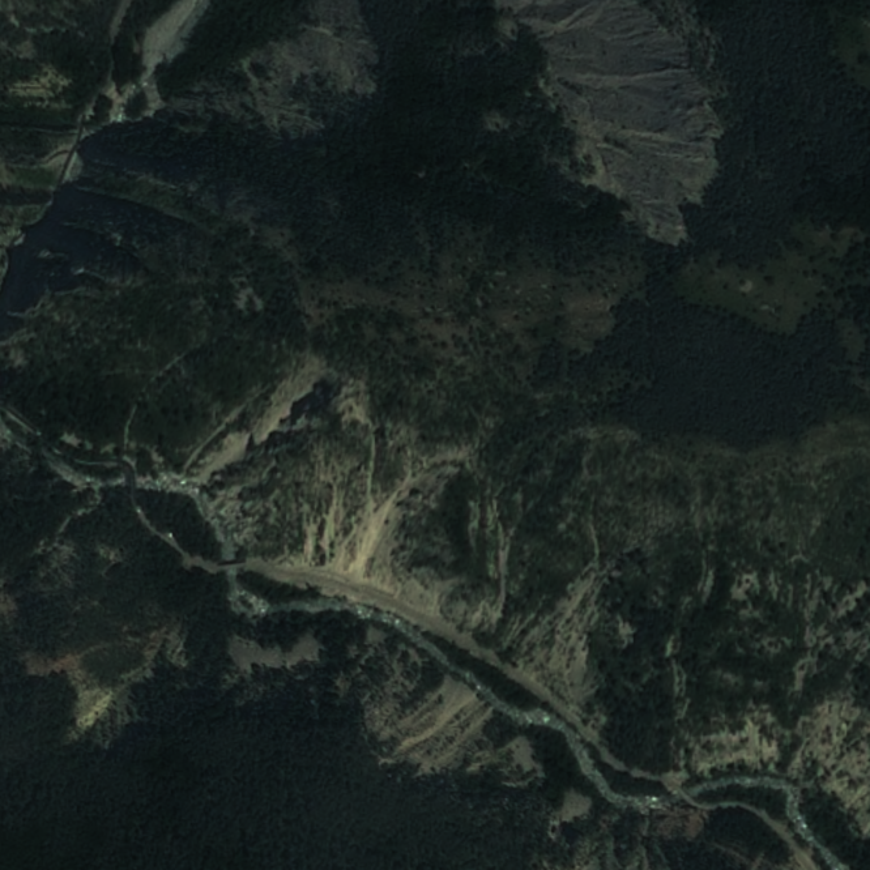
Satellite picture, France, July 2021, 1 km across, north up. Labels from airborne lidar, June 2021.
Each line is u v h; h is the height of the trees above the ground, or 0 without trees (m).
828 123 9
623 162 0
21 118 8
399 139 15
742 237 7
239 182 9
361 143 17
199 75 9
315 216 7
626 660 11
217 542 9
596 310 0
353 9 0
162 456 13
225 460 0
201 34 14
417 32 16
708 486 6
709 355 12
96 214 8
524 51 12
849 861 14
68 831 14
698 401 14
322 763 15
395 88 16
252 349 7
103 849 14
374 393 15
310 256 8
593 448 10
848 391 9
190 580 22
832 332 12
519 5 0
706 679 6
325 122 6
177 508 12
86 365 7
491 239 9
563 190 15
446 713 0
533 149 12
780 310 6
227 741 16
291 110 0
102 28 11
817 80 12
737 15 18
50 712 12
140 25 21
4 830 22
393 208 13
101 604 8
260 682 14
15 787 32
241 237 7
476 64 17
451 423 7
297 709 7
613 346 10
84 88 13
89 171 13
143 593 12
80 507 11
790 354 17
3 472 10
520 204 19
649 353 8
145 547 12
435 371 10
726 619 6
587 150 0
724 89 9
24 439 10
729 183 10
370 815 19
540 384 7
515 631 0
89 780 19
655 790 16
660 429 9
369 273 8
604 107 0
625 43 0
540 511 8
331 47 0
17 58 6
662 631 9
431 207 8
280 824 28
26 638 7
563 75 0
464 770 6
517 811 12
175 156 11
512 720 8
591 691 0
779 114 12
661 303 15
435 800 13
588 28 0
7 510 27
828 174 12
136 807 16
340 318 7
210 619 18
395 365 10
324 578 0
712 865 18
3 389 10
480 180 8
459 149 16
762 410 15
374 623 7
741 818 19
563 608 0
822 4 9
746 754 0
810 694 9
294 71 0
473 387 10
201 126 6
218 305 9
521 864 14
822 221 7
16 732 21
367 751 11
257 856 23
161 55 0
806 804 5
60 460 6
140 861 17
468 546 8
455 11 15
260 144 13
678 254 9
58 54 9
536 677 0
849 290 7
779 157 10
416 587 0
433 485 0
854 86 6
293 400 0
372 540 0
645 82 0
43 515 22
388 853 10
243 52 6
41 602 7
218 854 14
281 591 11
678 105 0
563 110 8
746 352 12
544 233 13
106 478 14
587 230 8
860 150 16
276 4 9
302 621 17
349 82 0
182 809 21
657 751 11
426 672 13
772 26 10
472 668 9
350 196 10
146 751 22
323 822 25
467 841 12
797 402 11
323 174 12
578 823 7
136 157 9
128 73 20
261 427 0
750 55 18
